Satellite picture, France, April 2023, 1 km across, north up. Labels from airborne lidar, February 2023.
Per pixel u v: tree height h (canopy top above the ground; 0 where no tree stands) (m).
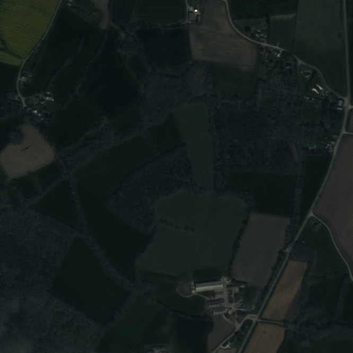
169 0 0
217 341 0
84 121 0
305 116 0
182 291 0
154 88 20
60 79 0
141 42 0
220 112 19
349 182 0
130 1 0
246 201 12
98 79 0
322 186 0
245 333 0
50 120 12
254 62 0
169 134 0
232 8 0
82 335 24
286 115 13
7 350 19
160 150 0
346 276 13
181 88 17
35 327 18
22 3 0
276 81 9
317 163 0
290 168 18
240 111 18
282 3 0
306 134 20
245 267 0
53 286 0
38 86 0
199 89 10
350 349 0
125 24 0
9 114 18
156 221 20
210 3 0
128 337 0
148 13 0
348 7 8
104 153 0
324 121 18
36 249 25
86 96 0
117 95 0
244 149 14
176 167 17
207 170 0
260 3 0
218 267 0
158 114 18
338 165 0
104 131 7
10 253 27
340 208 0
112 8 0
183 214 0
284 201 0
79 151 9
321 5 0
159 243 0
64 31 0
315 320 0
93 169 0
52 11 0
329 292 0
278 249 0
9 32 0
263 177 0
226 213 0
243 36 0
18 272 20
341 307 16
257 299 0
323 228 0
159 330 0
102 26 0
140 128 11
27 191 0
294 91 23
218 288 0
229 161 16
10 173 0
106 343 0
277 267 7
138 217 13
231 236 0
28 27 0
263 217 0
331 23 0
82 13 14
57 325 17
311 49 0
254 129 20
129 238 0
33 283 29
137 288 20
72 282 0
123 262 0
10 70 0
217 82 0
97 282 0
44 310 21
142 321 0
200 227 0
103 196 0
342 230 0
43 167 0
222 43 0
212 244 0
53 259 22
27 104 10
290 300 0
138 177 21
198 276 0
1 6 0
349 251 0
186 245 0
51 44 0
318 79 0
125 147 0
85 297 0
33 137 0
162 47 0
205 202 0
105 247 0
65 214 0
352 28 0
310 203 0
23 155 0
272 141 18
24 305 23
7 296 23
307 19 0
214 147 19
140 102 7
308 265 14
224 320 0
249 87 0
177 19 0
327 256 0
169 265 0
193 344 0
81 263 0
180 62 0
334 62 0
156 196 23
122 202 21
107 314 0
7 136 10
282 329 0
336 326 18
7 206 11
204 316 9
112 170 0
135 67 0
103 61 0
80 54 0
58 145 0
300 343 22
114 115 0
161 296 0
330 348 0
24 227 15
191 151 0
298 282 0
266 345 0
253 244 0
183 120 0
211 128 14
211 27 0
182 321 0
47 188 8
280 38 0
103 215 0
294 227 12
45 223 14
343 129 0
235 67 0
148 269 0
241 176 0
